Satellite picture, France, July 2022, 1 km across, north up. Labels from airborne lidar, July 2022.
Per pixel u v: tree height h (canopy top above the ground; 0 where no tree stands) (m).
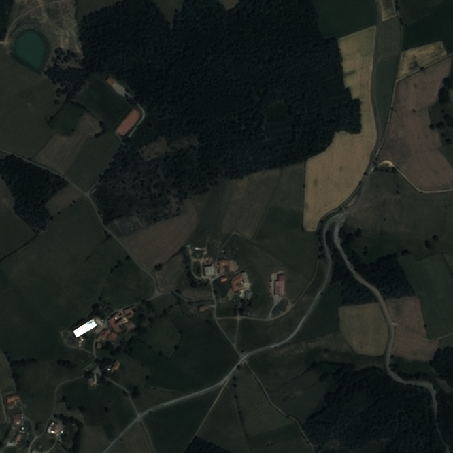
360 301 10
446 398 16
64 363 16
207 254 0
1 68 0
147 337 0
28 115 0
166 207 9
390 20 0
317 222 0
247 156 15
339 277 10
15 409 0
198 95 16
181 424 0
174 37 20
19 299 0
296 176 0
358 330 0
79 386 0
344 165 0
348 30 0
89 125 0
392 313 0
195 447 12
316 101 16
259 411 0
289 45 7
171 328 0
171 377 0
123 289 0
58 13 0
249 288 0
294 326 0
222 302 0
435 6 0
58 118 0
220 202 0
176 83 13
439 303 0
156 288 0
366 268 20
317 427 8
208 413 0
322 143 13
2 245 0
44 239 0
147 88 9
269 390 0
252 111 13
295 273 0
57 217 0
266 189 0
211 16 9
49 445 0
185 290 0
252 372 0
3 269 0
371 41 0
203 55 10
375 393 10
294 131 16
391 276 12
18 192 8
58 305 0
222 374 0
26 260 0
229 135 11
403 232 0
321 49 16
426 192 0
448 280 0
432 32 0
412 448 15
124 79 13
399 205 0
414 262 0
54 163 0
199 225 0
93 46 17
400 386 10
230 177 9
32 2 0
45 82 0
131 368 0
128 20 8
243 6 9
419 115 0
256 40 12
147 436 0
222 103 17
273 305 0
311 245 0
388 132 0
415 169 0
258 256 0
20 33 0
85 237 0
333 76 16
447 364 13
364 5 0
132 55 16
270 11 10
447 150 0
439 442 14
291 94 16
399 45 0
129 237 0
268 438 0
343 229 13
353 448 13
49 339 0
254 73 14
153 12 12
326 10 0
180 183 8
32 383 0
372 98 0
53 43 0
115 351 12
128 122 0
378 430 21
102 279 0
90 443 0
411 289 16
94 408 0
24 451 0
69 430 0
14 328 0
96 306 13
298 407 0
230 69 18
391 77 0
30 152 0
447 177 0
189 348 0
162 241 0
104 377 14
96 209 0
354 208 0
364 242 0
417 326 0
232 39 13
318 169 0
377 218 0
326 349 10
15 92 0
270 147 9
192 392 0
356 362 0
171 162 6
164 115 7
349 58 0
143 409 0
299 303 0
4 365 0
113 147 0
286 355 0
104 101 0
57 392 0
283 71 19
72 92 11
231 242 0
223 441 0
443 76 0
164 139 0
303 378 0
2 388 0
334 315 0
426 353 0
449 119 20
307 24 13
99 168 0
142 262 0
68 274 0
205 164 6
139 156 9
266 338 0
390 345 0
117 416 0
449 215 0
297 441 0
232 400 0
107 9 14
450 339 0
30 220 7
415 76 0
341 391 13
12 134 0
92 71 16
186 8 18
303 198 0
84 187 0
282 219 0
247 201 0
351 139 0
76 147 0
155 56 18
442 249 0
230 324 0
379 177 0
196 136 12
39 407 0
